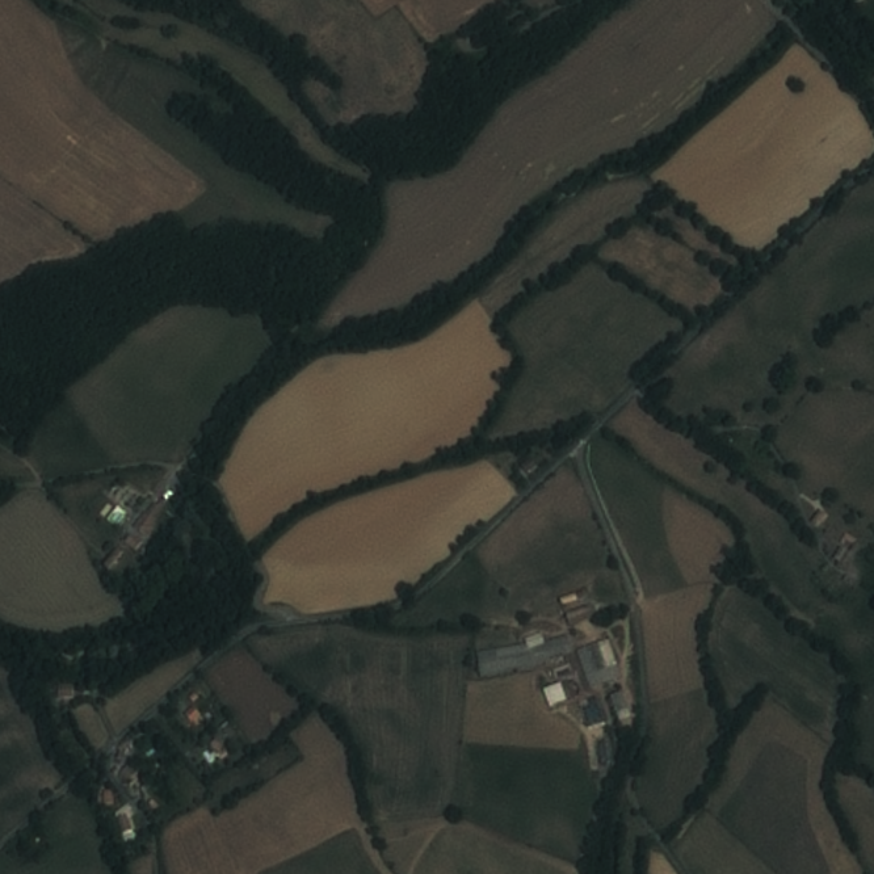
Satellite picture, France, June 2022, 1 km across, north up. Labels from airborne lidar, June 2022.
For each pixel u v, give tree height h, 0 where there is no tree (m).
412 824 0
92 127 0
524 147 0
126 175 0
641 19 0
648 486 0
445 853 0
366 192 19
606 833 21
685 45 0
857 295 0
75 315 15
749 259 21
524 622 13
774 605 26
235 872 0
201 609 22
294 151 28
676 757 0
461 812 14
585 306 0
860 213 0
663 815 0
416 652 0
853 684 6
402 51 0
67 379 14
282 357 23
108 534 0
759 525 0
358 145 20
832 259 0
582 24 22
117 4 0
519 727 0
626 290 0
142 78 0
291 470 0
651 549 0
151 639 27
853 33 11
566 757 0
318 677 0
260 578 13
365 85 0
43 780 0
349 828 0
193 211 0
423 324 14
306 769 0
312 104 15
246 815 0
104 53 0
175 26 10
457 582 0
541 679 0
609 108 0
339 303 0
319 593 0
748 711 16
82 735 14
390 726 0
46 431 0
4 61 0
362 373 0
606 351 0
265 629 13
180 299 17
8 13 0
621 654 0
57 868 0
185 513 28
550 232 0
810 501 0
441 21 0
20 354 16
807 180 0
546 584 0
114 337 15
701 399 0
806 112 0
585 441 0
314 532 0
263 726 0
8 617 0
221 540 18
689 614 0
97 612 0
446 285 24
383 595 0
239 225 10
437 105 17
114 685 21
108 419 0
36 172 0
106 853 15
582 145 0
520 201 0
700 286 0
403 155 19
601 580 0
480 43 15
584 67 0
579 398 0
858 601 0
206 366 0
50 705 6
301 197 20
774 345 0
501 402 17
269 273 21
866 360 0
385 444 0
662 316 0
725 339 0
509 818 0
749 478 8
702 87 0
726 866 0
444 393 0
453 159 17
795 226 10
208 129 16
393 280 0
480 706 0
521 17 15
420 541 0
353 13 0
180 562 25
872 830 0
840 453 0
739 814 0
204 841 0
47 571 0
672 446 0
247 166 19
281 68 18
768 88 0
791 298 0
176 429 0
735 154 0
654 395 24
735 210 0
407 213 0
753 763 0
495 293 0
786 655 0
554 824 0
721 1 0
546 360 0
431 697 0
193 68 10
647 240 0
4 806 0
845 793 0
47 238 0
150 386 0
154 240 16
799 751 0
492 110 13
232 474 0
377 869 0
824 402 0
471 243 0
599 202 0
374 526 0
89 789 7
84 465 0
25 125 0
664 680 0
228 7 21
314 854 0
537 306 0
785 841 0
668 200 20
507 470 0
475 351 0
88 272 13
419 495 0
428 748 0
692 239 0
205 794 6
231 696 0
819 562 0
